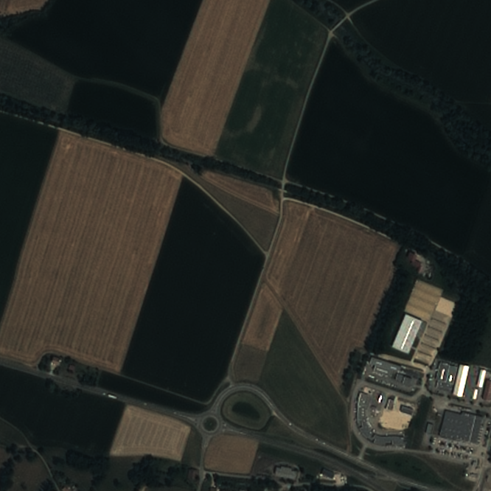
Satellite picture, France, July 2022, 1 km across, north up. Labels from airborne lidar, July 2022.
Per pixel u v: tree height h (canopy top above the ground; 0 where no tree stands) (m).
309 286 0
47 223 0
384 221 13
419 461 0
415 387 0
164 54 0
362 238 0
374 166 0
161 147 21
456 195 0
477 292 23
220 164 14
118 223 0
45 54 0
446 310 0
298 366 0
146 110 0
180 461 0
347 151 0
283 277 0
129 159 0
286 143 0
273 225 0
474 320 13
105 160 0
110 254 0
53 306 0
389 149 0
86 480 0
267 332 0
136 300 0
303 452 0
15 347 0
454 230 0
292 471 0
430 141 0
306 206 0
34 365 0
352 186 0
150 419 0
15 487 0
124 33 0
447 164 0
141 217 0
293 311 0
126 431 0
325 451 0
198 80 0
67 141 0
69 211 0
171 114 0
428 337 0
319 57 0
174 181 0
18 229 0
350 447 0
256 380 0
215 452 0
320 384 0
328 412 0
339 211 8
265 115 0
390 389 0
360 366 15
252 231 0
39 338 0
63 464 10
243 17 0
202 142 0
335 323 0
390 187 0
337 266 0
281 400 0
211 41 0
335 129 0
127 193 0
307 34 0
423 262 0
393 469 0
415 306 0
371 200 0
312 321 0
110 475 0
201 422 0
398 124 0
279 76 0
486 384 0
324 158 0
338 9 13
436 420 0
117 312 0
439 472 0
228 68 0
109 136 21
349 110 0
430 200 0
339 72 0
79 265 0
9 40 0
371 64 16
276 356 0
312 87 0
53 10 0
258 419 0
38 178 0
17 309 0
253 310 0
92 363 0
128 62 0
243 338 0
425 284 0
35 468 0
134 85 0
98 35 0
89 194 0
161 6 0
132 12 0
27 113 16
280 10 0
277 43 0
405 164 0
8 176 0
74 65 0
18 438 0
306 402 0
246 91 0
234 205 0
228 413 0
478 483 0
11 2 0
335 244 0
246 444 0
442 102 17
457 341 11
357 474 0
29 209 0
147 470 23
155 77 0
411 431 0
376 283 0
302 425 0
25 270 0
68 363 9
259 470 0
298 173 0
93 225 0
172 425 0
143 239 0
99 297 0
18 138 0
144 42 0
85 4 0
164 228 0
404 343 0
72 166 0
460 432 0
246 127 0
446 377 0
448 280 19
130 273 0
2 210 0
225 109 0
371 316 0
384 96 0
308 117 0
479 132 21
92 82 0
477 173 0
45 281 0
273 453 0
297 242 0
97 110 0
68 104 0
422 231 0
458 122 16
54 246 0
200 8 0
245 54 0
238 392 0
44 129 0
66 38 0
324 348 0
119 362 0
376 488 0
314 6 19
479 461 0
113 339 0
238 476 0
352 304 0
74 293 0
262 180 7
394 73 12
